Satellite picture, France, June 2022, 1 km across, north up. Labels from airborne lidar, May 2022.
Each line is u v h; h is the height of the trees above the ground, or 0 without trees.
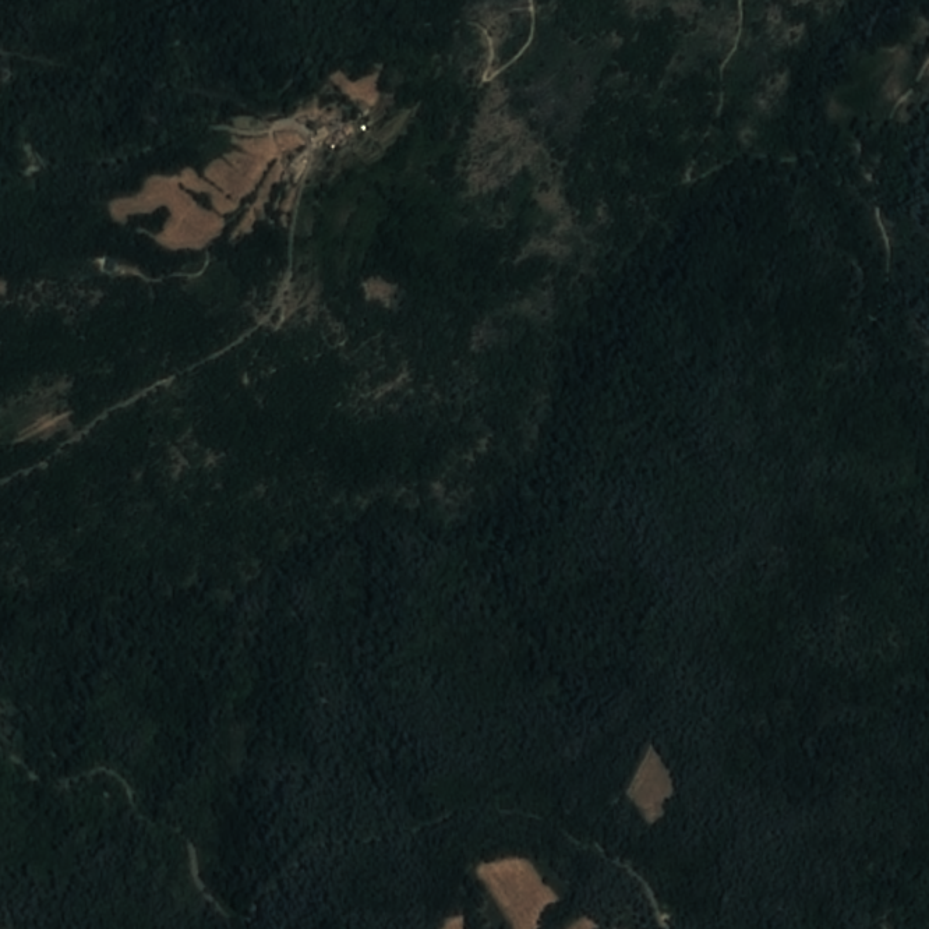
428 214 13
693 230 23
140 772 14
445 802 12
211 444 8
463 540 13
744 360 14
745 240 14
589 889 17
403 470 17
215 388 11
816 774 18
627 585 22
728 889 12
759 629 15
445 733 16
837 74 6
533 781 12
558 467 13
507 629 21
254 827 12
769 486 16
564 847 14
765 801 10
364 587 7
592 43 8
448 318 10
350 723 24
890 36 8
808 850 12
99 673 16
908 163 14
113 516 9
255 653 17
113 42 7
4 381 9
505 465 17
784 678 10
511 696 19
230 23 20
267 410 8
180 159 10
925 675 9
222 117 7
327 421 7
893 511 15
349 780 23
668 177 11
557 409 8
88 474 14
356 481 12
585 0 8
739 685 15
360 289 9
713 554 12
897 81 0
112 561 10
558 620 20
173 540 11
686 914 7
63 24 12
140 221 7
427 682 15
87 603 10
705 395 19
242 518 8
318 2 9
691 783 18
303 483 12
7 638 15
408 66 10
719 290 19
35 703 12
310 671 10
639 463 16
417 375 8
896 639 9
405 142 11
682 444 7
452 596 15
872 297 19
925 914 8
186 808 14
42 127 7
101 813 10
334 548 23
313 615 14
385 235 17
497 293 11
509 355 12
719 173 14
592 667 19
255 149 0
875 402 6
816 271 17
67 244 11
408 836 17
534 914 0
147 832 17
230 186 0
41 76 19
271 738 11
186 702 17
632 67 10
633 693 15
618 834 16
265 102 9
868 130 15
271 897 13
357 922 17
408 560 22
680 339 16
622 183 12
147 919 19
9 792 14
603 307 23
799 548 13
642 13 6
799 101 14
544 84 0
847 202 13
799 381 11
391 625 13
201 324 12
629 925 6
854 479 15
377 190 7
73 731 7
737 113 9
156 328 11
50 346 9
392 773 15
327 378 9
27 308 6
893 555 15
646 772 0
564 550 20
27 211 12
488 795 12
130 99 10
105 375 8
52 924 11
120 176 12
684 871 10
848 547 13
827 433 14
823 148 13
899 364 14
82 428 9
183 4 13
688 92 9
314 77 12
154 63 9
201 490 12
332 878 19
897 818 13
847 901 14
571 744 18
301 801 20
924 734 11
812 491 17
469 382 13
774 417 17
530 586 18
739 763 9
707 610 12
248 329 8
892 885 16
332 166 6
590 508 18
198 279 0
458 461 7
